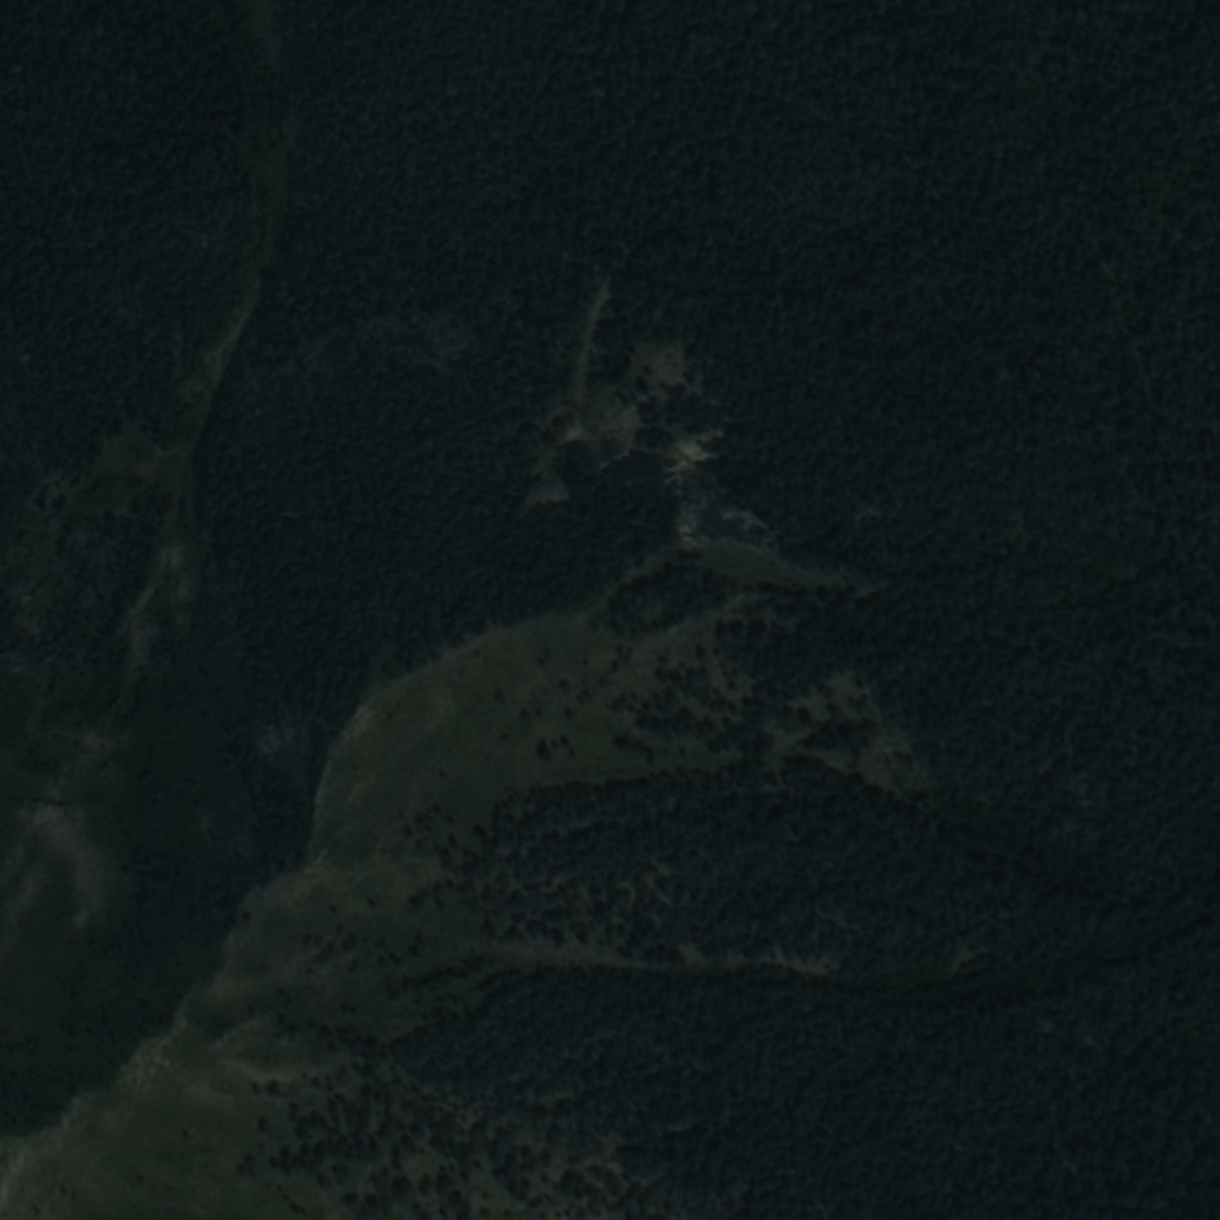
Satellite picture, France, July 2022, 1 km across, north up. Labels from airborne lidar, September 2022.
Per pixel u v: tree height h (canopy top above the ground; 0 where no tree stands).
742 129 33
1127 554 11
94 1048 0
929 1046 22
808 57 16
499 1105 8
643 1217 9
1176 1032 22
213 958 0
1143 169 23
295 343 19
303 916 0
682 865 14
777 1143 18
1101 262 13
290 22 13
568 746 13
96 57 12
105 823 0
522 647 0
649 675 0
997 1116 20
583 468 13
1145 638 21
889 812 28
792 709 18
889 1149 29
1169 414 25
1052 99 25
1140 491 26
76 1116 0
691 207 33
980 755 22
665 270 32
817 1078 24
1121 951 15
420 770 0
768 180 26
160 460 0
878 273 34
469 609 9
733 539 8
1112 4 20
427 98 13
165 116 22
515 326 14
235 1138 0
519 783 0
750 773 17
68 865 0
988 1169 20
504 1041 9
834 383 20
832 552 16
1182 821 24
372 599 11
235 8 13
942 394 17
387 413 13
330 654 12
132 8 26
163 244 12
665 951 17
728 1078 16
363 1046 10
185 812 0
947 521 27
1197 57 27
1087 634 13
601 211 28
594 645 0
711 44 28
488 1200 8
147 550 11
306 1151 13
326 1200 0
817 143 24
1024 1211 30
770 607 14
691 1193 11
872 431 13
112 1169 0
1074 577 22
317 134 12
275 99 9
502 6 19
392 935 0
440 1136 11
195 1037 0
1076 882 22
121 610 17
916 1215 22
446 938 0
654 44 17
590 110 26
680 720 17
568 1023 16
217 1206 0
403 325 6
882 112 29
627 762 0
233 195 10
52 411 15
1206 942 23
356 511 14
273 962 0
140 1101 0
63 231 18
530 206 24
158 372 9
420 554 14
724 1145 21
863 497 13
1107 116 27
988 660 21
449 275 23
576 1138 11
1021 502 13
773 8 20
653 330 21
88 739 0
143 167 24
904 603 21
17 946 0
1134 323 14
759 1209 20
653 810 8
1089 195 25
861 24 15
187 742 0
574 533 16
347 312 10
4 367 8
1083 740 26
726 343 20
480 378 14
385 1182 10
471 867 11
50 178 21
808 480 19
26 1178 0
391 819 0
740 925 12
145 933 6
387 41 24
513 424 16
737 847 18
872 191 18
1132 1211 37
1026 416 26
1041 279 26
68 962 0
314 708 12
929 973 13
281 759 0
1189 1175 19
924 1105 29
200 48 28
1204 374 23
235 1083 0
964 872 10
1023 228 14
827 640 18
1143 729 30
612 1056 20
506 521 14
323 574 11
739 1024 25
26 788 0
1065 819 33
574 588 8
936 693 17
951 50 25
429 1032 12
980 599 25
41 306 12
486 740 0
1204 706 38
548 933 24
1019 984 16
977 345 35
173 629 7
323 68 18
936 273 34
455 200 21
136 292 13
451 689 0
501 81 11
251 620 8
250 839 0
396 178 7
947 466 24
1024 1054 28
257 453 18
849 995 21
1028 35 17
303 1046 0
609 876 13
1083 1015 29
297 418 10
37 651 6
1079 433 25
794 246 18
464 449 13
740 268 13
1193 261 20
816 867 27
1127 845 17
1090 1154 25
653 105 22
